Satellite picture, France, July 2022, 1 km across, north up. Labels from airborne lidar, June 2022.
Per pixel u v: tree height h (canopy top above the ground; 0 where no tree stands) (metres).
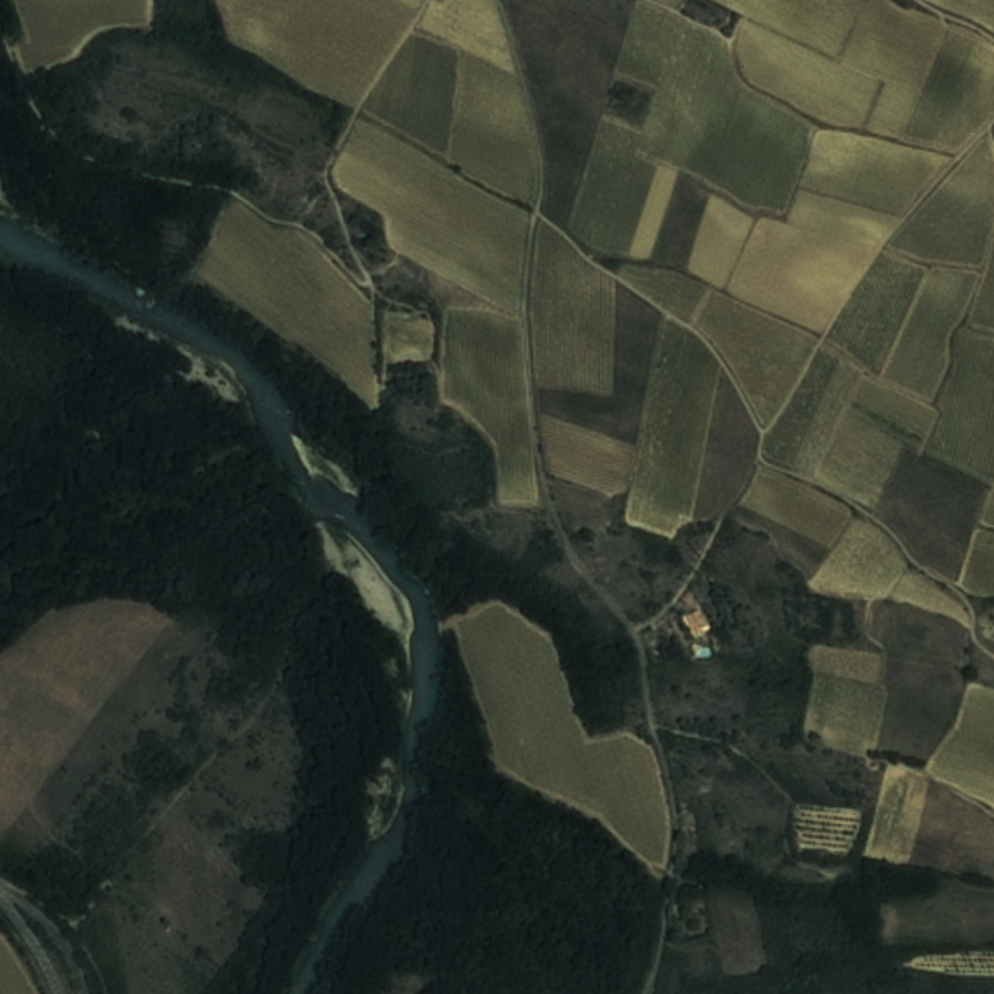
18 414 11
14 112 11
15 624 20
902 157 0
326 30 0
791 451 0
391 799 5
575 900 12
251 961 9
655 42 0
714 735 15
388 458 14
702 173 0
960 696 0
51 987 0
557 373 0
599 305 0
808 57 0
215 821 6
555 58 0
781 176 0
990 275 0
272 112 0
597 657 17
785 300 0
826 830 7
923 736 0
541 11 0
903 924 0
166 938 0
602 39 0
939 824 0
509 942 13
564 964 10
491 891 14
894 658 0
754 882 20
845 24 0
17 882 9
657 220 0
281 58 0
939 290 0
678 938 14
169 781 8
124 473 30
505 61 0
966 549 0
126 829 7
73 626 0
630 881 16
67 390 18
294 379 8
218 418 27
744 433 0
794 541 0
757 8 0
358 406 13
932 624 0
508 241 0
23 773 0
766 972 9
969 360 0
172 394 31
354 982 24
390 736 28
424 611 0
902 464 0
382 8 0
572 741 0
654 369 0
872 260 0
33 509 24
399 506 18
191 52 6
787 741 10
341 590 27
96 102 5
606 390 0
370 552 0
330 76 0
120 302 0
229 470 11
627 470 0
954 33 0
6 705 0
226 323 20
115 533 13
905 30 0
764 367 0
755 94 0
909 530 0
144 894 0
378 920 29
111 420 28
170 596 17
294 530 14
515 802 16
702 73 0
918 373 0
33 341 7
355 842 31
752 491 0
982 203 0
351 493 0
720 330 0
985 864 0
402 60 0
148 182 14
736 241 0
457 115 0
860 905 18
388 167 0
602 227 0
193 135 19
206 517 13
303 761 6
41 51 0
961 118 0
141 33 11
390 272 0
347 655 31
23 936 0
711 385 0
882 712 0
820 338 0
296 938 27
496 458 6
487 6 0
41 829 0
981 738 0
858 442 0
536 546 8
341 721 29
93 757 0
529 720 0
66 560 8
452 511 6
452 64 0
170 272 19
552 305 0
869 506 0
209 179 13
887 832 0
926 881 16
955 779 0
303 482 0
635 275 0
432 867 26
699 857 11
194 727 7
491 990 11
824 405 0
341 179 0
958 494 0
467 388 0
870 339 0
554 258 0
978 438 0
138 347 29
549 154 0
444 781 27
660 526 0
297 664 10
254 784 0
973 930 0
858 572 0
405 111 0
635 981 11
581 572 0
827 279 0
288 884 13
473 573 11
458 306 0
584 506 0
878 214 0
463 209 0
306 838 26
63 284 21
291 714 7
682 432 0
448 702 8
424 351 0
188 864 0
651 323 0
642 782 0
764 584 0
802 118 0
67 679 0
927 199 0
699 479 0
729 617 8
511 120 0
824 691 0
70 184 13
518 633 0
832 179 0
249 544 9
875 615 0
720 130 0
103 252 13
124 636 0
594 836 8
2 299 18
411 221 0
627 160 0
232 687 14
